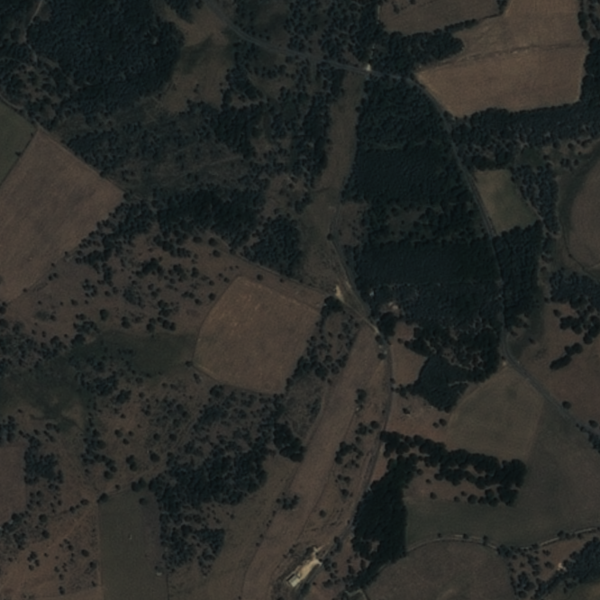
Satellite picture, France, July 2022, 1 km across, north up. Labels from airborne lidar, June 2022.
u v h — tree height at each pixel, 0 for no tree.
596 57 14
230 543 0
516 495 12
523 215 0
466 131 21
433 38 17
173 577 0
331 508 0
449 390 15
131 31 16
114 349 0
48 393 0
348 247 11
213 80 0
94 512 0
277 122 13
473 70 0
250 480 9
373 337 0
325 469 0
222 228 12
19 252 0
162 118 5
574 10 0
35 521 0
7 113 0
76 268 0
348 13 13
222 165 0
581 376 0
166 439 0
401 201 15
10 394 0
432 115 12
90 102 13
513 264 22
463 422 0
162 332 0
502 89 0
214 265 0
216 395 10
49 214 0
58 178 0
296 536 0
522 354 0
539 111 13
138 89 14
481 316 12
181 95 0
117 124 0
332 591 0
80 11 15
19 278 0
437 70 0
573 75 0
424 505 0
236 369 0
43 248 0
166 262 0
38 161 0
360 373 0
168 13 0
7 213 0
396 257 13
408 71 13
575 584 6
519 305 19
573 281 8
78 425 0
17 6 9
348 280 0
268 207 0
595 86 10
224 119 16
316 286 0
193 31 0
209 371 0
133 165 0
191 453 7
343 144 0
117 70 21
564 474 0
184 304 0
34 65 10
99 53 13
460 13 0
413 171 11
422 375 11
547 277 0
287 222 13
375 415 0
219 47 0
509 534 0
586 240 0
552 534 0
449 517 0
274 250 9
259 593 0
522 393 0
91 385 10
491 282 11
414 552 0
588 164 0
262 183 9
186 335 0
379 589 0
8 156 0
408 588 0
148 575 0
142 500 9
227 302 0
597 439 12
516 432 0
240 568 0
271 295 0
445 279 13
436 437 0
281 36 0
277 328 0
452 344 11
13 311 0
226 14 0
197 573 0
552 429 0
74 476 0
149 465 0
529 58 0
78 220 0
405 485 7
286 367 0
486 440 0
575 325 12
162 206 12
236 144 8
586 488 0
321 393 0
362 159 10
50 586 0
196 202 15
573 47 0
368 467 0
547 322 0
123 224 12
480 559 0
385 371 0
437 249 15
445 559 0
